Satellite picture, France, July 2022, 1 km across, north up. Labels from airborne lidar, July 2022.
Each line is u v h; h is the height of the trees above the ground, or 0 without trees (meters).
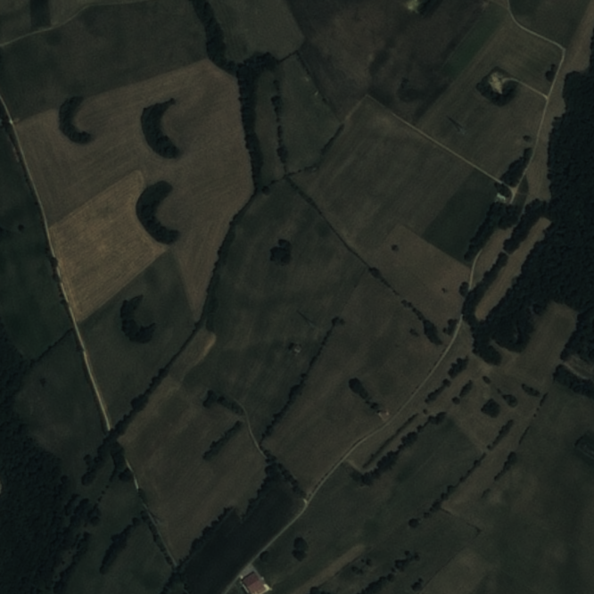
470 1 0
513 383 0
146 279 0
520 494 0
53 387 0
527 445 0
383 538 0
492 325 18
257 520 0
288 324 0
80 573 0
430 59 0
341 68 0
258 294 0
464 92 0
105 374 0
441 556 0
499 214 13
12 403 16
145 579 0
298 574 0
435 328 15
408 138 0
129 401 0
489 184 0
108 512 0
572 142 17
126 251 0
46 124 0
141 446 0
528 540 0
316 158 0
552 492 0
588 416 0
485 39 0
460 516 0
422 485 0
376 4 0
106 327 0
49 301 0
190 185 0
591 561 0
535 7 0
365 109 0
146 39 0
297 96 0
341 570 0
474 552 0
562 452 0
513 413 0
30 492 13
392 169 0
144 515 7
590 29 0
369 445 0
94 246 0
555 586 0
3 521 7
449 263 0
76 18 0
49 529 14
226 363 0
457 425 0
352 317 0
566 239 22
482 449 0
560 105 0
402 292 0
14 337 0
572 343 15
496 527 0
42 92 0
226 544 0
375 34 0
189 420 0
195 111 0
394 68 0
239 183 0
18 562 18
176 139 0
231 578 0
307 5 0
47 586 9
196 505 0
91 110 0
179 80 0
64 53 0
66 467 0
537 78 0
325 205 0
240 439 0
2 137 0
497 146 0
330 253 0
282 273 0
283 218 0
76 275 0
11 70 0
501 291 0
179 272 0
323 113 0
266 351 0
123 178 0
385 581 12
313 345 0
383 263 0
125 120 0
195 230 0
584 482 0
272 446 0
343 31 0
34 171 0
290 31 0
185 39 0
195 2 9
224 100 0
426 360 0
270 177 0
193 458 0
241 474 0
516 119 0
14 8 0
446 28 0
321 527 0
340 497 0
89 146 0
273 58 10
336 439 0
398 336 0
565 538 0
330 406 0
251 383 0
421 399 0
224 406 12
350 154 0
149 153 0
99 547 0
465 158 0
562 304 18
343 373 0
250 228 0
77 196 0
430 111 0
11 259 0
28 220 0
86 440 0
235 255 0
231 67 13
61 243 0
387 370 0
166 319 0
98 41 0
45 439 0
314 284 0
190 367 0
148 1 0
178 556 0
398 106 0
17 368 9
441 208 0
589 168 22
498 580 0
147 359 0
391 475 0
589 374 0
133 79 0
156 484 0
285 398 0
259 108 0
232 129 0
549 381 0
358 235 0
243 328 0
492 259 0
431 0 7
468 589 0
